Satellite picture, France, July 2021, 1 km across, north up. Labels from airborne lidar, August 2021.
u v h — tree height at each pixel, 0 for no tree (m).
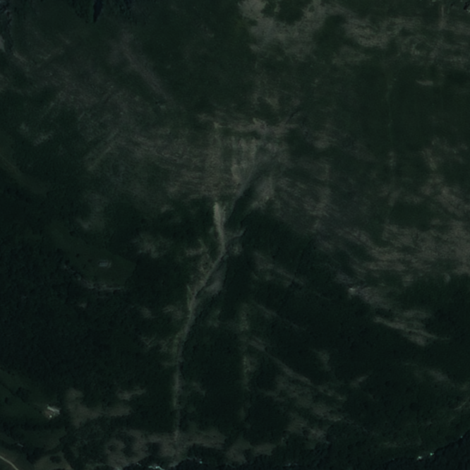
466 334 12
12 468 0
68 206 8
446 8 0
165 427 9
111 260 0
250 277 6
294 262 6
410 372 10
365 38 0
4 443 12
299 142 0
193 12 0
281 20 0
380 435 9
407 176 0
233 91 0
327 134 0
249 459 19
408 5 0
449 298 8
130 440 13
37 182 0
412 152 0
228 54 0
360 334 12
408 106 0
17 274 21
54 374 12
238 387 7
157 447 13
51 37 0
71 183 5
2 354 19
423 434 7
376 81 0
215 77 0
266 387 9
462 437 9
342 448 13
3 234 7
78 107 0
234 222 6
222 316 8
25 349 26
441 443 8
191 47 0
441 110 0
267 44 0
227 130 0
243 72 0
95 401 17
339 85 0
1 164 0
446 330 11
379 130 0
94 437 17
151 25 0
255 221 7
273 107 0
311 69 0
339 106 0
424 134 0
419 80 0
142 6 0
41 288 16
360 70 0
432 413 14
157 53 0
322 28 0
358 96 0
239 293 12
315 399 7
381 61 0
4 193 6
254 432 8
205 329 7
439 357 16
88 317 7
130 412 6
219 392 8
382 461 13
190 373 12
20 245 18
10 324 19
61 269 16
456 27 0
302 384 8
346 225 0
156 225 6
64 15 0
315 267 8
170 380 11
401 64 0
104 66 0
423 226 0
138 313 16
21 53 0
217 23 0
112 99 0
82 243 0
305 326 9
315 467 15
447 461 13
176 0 0
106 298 9
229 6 0
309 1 0
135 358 21
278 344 9
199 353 9
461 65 0
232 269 6
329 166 0
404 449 8
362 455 13
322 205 0
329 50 0
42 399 0
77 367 14
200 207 8
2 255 16
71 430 13
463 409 9
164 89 0
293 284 8
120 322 9
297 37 0
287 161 0
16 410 0
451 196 0
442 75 0
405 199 0
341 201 0
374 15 0
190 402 10
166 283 18
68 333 7
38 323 16
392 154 0
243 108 0
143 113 0
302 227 0
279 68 0
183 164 0
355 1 0
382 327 11
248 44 0
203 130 0
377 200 0
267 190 0
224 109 0
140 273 10
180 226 9
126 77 0
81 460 10
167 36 0
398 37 0
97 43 0
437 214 0
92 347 19
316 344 7
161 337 7
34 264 11
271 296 8
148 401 10
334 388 7
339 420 7
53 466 0
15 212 9
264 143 0
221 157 0
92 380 12
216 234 6
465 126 0
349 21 0
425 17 0
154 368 7
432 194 0
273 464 18
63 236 0
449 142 0
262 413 13
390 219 0
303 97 0
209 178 0
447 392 7
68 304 21
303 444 14
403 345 8
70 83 0
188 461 17
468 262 0
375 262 0
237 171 0
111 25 0
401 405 8
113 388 21
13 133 6
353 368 7
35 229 8
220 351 8
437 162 0
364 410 11
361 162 0
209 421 7
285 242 6
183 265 7
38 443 0
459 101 0
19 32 0
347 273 12
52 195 7
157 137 0
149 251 7
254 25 0
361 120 0
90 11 8
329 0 0
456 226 0
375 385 9
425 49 0
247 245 10
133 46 0
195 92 0
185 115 0
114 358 6
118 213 7
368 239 0
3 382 9
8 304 19
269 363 10
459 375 9
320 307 7
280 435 12
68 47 0
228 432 9
